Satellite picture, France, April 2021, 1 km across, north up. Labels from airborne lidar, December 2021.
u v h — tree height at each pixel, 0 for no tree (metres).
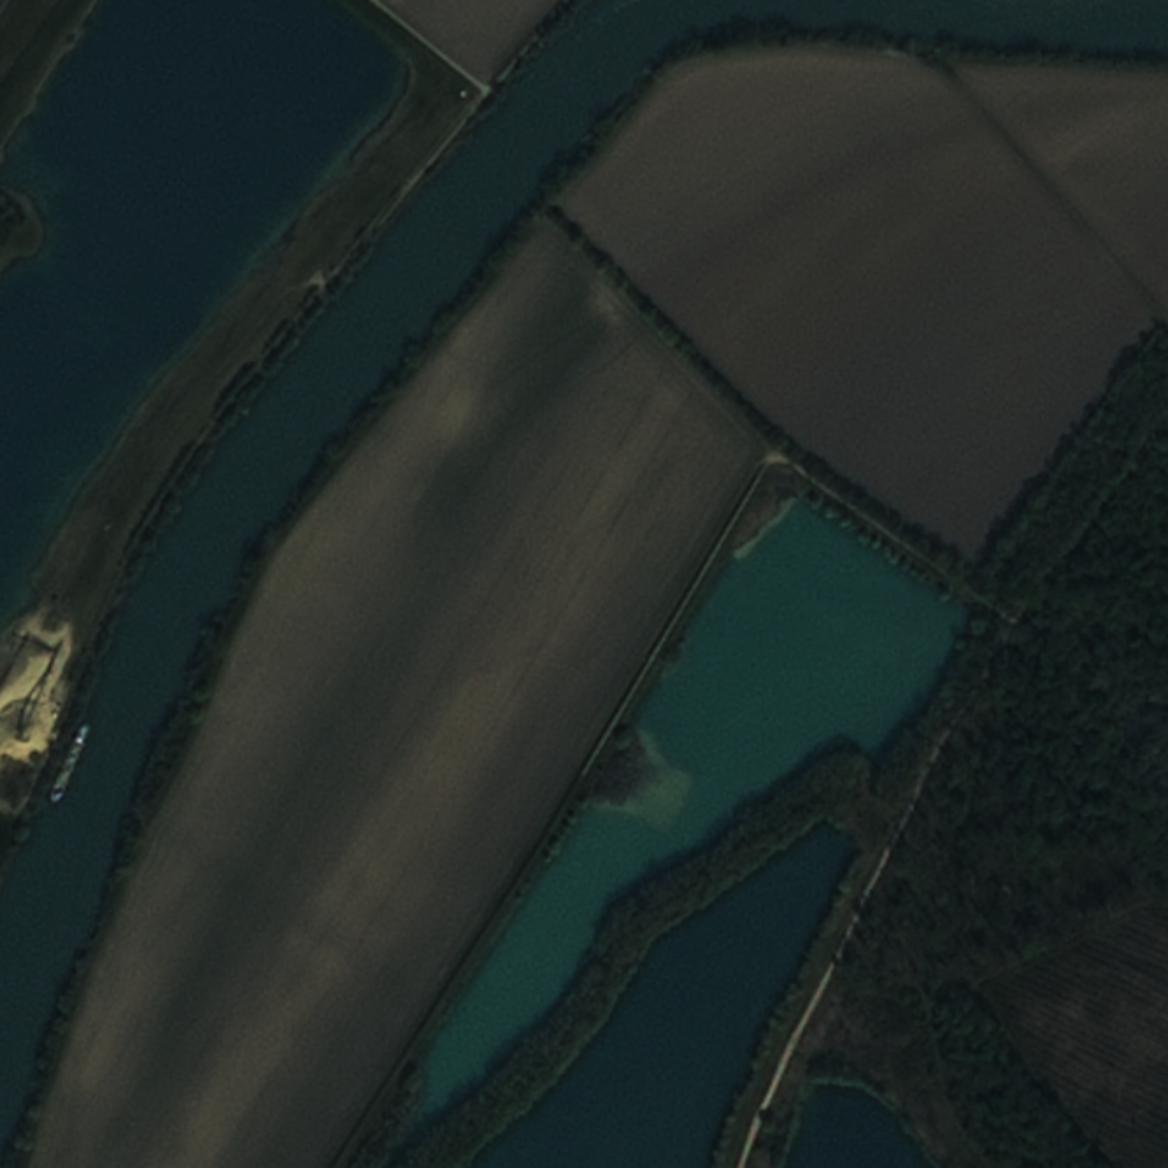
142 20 0
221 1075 0
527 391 0
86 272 0
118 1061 0
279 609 0
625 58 0
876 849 0
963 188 0
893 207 0
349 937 0
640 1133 0
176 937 0
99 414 0
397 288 0
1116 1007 0
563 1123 0
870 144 0
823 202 0
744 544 0
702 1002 0
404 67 0
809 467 14
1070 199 0
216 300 0
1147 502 17
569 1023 19
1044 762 25
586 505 0
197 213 0
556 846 12
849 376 0
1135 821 24
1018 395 0
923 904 27
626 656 0
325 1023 0
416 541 0
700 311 0
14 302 0
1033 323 0
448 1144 21
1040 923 28
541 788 0
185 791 0
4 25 0
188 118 0
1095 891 0
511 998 0
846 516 16
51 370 0
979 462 0
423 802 0
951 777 19
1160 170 0
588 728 0
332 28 0
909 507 0
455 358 0
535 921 0
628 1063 0
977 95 0
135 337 0
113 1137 0
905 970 22
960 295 0
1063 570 20
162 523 10
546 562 0
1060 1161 23
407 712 0
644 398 0
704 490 0
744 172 0
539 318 0
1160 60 14
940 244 0
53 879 0
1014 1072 23
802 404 0
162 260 0
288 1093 0
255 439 0
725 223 0
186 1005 0
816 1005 0
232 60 0
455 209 0
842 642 0
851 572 0
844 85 0
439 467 0
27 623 0
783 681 0
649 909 29
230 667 0
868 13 0
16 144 0
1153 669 21
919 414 0
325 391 0
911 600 0
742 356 0
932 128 0
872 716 0
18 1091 0
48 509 0
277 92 0
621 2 0
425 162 0
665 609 0
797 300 0
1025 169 0
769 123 0
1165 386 16
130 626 0
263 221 0
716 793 0
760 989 0
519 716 0
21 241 0
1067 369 0
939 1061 6
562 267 0
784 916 0
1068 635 28
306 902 0
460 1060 0
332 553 0
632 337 0
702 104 0
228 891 0
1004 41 0
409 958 0
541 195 10
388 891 0
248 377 11
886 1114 0
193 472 12
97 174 0
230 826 0
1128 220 0
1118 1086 0
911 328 0
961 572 19
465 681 0
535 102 0
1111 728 24
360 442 0
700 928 0
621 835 0
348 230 0
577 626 0
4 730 0
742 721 0
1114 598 24
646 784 0
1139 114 0
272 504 0
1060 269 0
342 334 0
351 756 0
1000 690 19
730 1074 0
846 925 0
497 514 0
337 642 0
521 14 0
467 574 0
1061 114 0
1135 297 0
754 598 0
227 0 0
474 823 0
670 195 0
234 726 0
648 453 0
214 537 0
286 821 0
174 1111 0
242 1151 0
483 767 0
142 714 0
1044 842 27
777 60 0
